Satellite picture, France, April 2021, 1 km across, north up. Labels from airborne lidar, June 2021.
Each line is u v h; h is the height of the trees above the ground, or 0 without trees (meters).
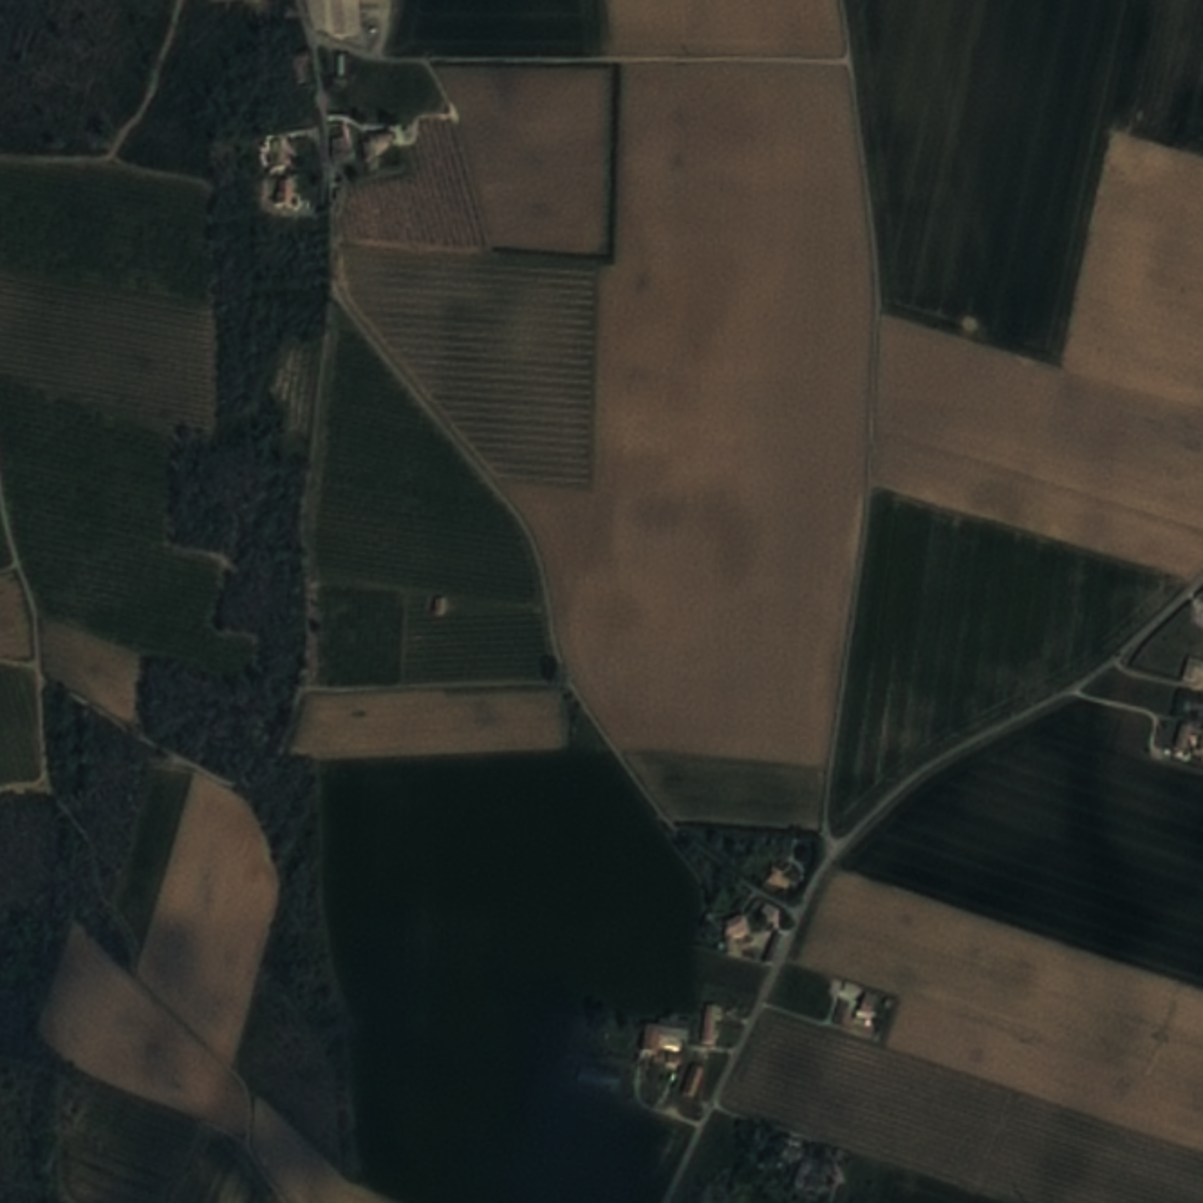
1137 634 0
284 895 7
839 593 0
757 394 0
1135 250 0
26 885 15
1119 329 0
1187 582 0
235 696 24
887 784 0
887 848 0
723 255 0
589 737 0
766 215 0
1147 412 0
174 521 14
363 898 0
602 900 0
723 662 0
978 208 0
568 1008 0
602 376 0
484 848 0
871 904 0
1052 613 0
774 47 0
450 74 0
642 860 0
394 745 0
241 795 11
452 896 0
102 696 0
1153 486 0
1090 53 0
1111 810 0
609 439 0
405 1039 0
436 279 0
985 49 0
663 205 0
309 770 15
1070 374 0
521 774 0
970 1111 0
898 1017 0
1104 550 0
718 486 0
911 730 0
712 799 0
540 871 0
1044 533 0
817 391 0
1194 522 0
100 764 15
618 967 0
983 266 0
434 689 0
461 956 0
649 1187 0
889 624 0
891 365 0
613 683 0
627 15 0
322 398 0
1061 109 0
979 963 0
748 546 0
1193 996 0
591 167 0
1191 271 0
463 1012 0
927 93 0
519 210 0
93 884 17
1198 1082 0
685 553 0
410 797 0
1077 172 0
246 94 14
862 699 0
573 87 0
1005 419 0
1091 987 0
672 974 0
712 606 0
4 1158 9
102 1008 0
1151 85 0
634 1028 7
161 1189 0
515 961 0
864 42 0
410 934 0
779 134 0
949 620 0
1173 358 0
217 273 13
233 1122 0
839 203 0
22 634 0
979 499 0
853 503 0
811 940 0
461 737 0
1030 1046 0
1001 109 0
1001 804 0
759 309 0
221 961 0
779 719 0
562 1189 0
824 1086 0
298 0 0
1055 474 0
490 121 0
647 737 0
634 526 0
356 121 9
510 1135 0
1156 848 0
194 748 21
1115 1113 0
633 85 0
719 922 8
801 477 0
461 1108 0
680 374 0
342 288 0
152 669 14
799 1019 0
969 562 0
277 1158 0
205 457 13
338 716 0
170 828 0
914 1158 0
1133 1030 0
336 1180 0
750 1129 7
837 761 0
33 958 22
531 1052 0
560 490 0
